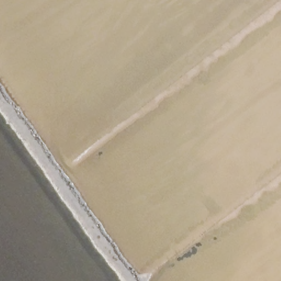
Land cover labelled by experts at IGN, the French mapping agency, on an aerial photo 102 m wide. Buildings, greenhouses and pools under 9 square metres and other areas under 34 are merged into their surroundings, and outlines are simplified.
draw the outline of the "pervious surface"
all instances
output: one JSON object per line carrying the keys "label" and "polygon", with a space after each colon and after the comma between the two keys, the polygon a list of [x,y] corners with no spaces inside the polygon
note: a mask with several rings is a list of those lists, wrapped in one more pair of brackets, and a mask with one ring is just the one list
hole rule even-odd
{"label": "pervious surface", "polygon": [[196,228],[180,244],[172,244],[164,256],[148,267],[145,273],[139,274],[142,281],[149,281],[168,261],[189,251],[205,234],[232,220],[243,207],[256,203],[263,192],[276,189],[281,182],[281,167],[256,186],[241,193],[239,199]]}
{"label": "pervious surface", "polygon": [[24,123],[15,115],[14,103],[8,104],[0,94],[0,114],[41,168],[59,199],[67,206],[83,233],[90,239],[94,249],[108,263],[120,281],[135,281],[134,276],[124,268],[120,260],[112,260],[114,251],[111,245],[103,237],[97,239],[99,229],[91,228],[93,222],[90,217],[78,204],[66,183],[60,179],[59,172],[49,164],[41,145],[37,144]]}
{"label": "pervious surface", "polygon": [[207,70],[218,57],[236,47],[247,34],[271,21],[281,10],[281,1],[257,16],[229,42],[204,57],[171,86],[162,89],[153,100],[113,128],[108,128],[103,136],[76,158],[66,161],[67,165],[76,166],[116,133],[157,108],[162,99],[188,85],[201,70]]}

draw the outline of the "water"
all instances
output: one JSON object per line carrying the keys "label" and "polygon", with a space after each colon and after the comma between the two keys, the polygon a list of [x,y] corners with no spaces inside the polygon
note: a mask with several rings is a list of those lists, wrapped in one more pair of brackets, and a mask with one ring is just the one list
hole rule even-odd
{"label": "water", "polygon": [[189,251],[168,261],[149,281],[281,281],[281,182],[276,189],[263,192],[256,203],[243,207],[232,220],[205,234]]}
{"label": "water", "polygon": [[75,184],[82,199],[103,224],[106,233],[112,237],[116,245],[119,245],[123,256],[131,263],[131,268],[139,274],[145,273],[148,267],[164,256],[172,244],[180,244],[196,228],[239,199],[241,193],[256,186],[281,167],[281,10],[271,21],[247,34],[236,47],[218,57],[207,70],[201,70],[188,85],[162,99],[157,108],[116,133],[76,166],[67,165],[66,161],[76,158],[103,136],[108,128],[113,128],[153,100],[162,89],[171,86],[204,57],[229,42],[257,16],[281,1],[281,0],[0,0],[0,78],[3,88],[8,87],[18,101],[15,106],[19,106],[24,117],[35,127],[36,133],[69,176],[70,183]]}
{"label": "water", "polygon": [[0,281],[120,281],[108,263],[94,249],[90,239],[83,233],[67,206],[59,199],[41,168],[0,114]]}

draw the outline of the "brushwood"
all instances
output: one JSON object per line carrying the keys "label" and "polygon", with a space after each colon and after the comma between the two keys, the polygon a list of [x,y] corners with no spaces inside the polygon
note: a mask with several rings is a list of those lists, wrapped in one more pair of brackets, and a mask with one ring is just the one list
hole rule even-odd
{"label": "brushwood", "polygon": [[59,172],[60,179],[66,183],[78,204],[90,217],[93,222],[91,228],[99,229],[97,239],[103,237],[111,245],[114,251],[112,260],[120,260],[124,268],[134,276],[135,281],[142,281],[139,274],[131,268],[131,263],[123,256],[119,245],[116,245],[112,237],[106,233],[103,224],[82,199],[75,184],[70,183],[69,176],[36,133],[35,127],[24,117],[19,106],[15,106],[18,101],[8,87],[3,88],[0,78],[0,94],[8,104],[14,103],[15,115],[24,123],[37,144],[41,145],[49,164]]}

